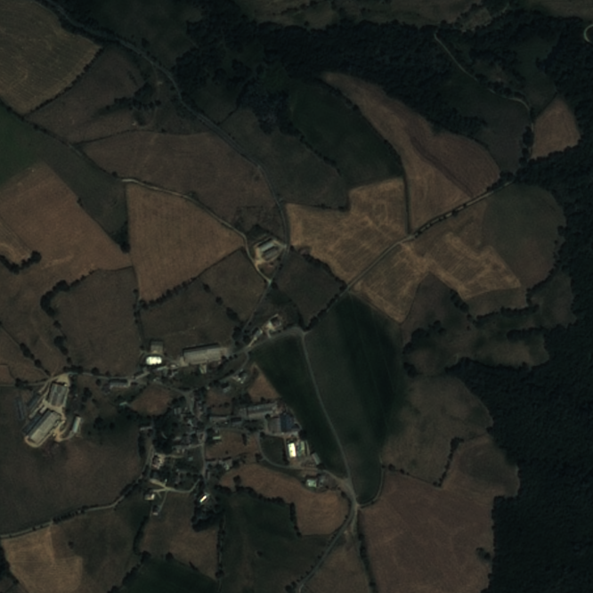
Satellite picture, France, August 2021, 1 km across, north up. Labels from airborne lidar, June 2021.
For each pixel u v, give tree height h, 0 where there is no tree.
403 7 0
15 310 0
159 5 0
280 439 0
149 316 0
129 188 0
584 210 8
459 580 0
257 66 0
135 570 13
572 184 9
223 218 0
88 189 0
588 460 20
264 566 0
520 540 16
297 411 0
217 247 0
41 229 0
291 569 0
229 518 0
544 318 0
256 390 0
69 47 0
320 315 12
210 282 0
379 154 0
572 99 8
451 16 0
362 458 0
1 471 0
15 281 0
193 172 0
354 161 0
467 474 0
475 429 0
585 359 19
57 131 0
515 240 0
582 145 13
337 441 0
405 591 0
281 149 0
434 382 0
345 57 13
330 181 0
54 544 0
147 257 0
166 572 0
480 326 12
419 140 0
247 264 0
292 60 17
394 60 13
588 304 13
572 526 15
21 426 0
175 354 0
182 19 0
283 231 0
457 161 0
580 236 14
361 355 0
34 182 0
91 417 0
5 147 0
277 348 0
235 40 15
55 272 0
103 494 0
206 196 0
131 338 0
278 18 0
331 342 0
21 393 0
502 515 14
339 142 0
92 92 0
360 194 0
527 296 7
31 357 9
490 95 0
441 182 0
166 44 0
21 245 0
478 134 0
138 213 0
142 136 0
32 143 0
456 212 8
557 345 15
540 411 16
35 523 0
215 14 12
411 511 0
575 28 20
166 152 0
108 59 0
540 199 0
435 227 0
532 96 0
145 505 0
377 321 0
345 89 0
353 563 0
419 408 0
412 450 0
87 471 0
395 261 0
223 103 0
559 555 14
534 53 0
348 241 0
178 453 0
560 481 20
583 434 17
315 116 0
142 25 0
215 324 0
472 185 0
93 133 0
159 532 0
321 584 0
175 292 11
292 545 0
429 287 0
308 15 0
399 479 0
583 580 10
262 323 0
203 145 0
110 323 0
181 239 0
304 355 0
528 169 15
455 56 10
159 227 0
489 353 0
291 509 8
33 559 0
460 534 0
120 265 0
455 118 11
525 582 7
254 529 0
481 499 0
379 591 0
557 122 0
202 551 0
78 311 0
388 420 0
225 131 0
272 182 0
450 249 0
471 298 0
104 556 0
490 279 0
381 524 0
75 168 0
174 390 0
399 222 0
